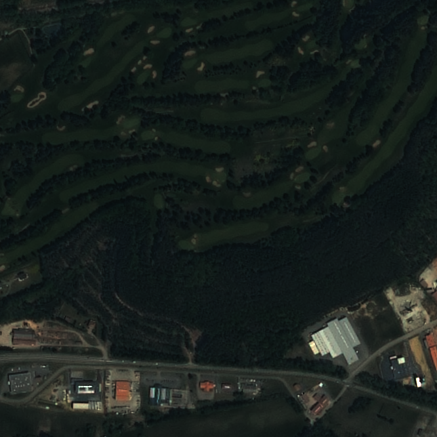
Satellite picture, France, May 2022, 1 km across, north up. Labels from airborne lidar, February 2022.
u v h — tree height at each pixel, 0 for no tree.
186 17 0
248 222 0
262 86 0
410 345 0
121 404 0
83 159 0
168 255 18
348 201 24
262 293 20
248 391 0
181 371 0
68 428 0
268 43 0
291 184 0
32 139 0
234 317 17
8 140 0
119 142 16
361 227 22
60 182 14
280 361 21
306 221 0
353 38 28
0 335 0
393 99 0
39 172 0
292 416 0
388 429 0
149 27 0
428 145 26
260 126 11
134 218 26
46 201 0
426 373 0
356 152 0
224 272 20
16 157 0
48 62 0
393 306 0
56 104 0
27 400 0
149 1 17
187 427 0
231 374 0
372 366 0
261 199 0
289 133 0
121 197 0
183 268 25
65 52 18
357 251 21
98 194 18
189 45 15
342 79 0
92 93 0
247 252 20
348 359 0
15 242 22
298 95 0
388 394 23
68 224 0
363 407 15
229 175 12
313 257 22
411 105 0
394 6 30
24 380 0
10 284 0
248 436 0
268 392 0
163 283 20
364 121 21
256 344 30
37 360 0
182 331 20
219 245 0
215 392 0
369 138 0
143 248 25
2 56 0
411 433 0
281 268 19
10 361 0
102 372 0
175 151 11
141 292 21
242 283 22
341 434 0
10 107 0
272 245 13
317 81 18
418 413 0
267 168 0
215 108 0
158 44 0
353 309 6
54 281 19
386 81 17
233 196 0
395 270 23
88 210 0
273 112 0
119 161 15
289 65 0
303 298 20
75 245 20
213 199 0
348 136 11
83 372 0
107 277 23
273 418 0
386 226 18
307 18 0
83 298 18
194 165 0
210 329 24
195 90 0
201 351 28
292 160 17
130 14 0
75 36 0
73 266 19
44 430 0
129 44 0
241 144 0
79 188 0
